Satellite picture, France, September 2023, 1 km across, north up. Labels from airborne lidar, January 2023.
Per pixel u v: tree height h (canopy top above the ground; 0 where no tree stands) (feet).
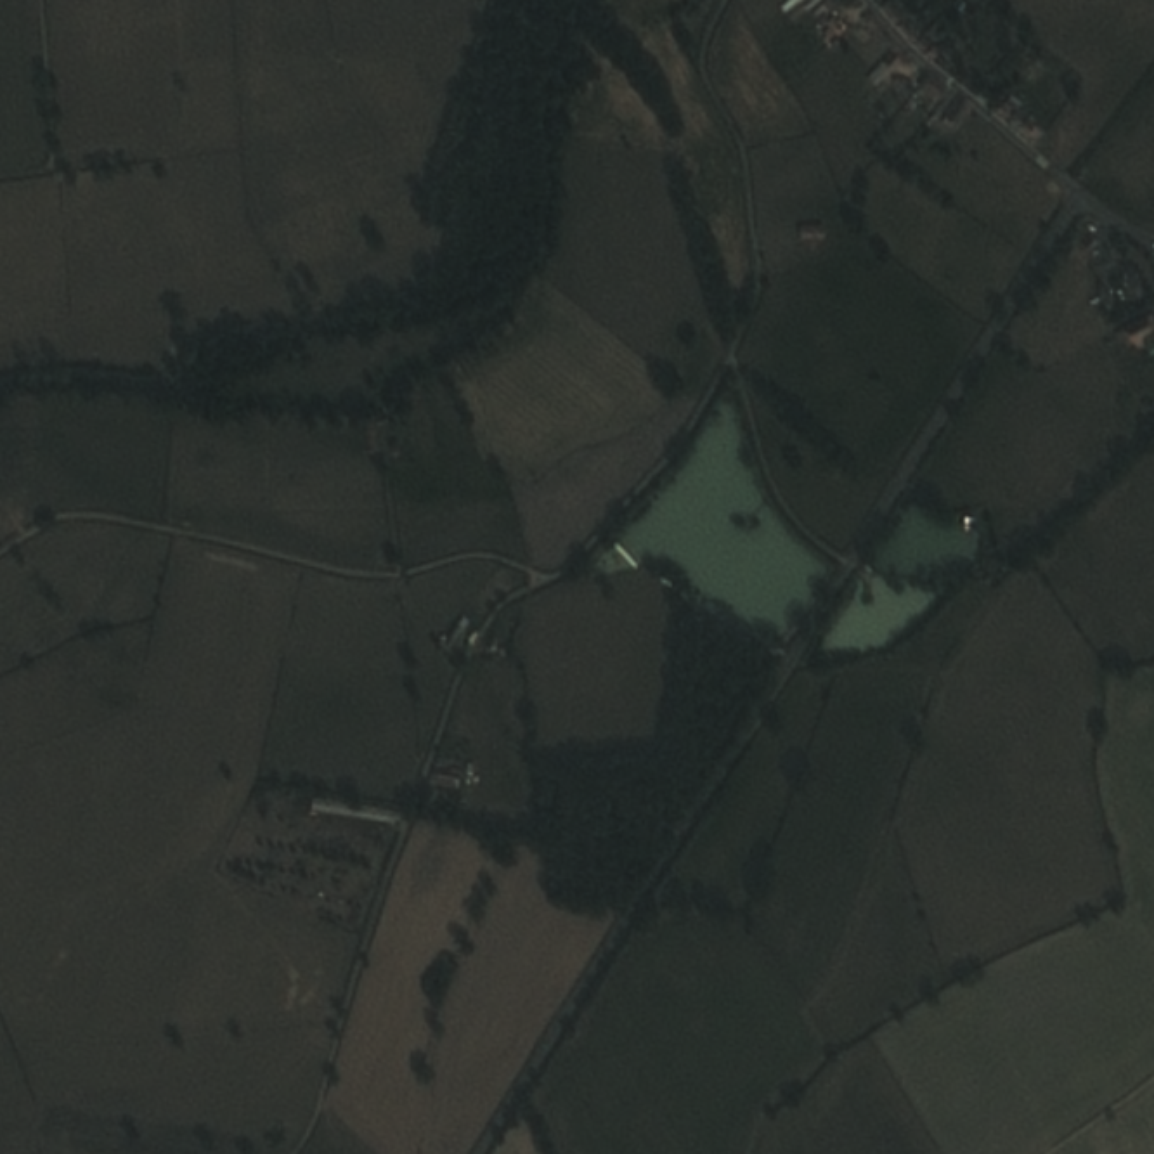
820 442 53
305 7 0
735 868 0
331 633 0
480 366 0
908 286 0
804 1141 0
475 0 0
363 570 0
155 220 0
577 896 60
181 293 0
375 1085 0
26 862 0
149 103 0
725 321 52
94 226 0
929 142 26
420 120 0
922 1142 0
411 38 0
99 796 0
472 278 69
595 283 0
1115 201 0
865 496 0
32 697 0
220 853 0
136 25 0
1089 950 0
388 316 52
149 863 0
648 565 40
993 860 0
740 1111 0
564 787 69
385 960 0
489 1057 0
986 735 0
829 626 36
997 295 0
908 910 0
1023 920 0
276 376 0
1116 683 0
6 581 0
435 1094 0
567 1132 0
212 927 0
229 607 0
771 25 0
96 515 0
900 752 0
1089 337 0
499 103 75
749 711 46
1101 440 0
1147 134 0
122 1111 0
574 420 0
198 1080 0
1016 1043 0
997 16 31
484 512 0
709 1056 0
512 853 56
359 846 0
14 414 0
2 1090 0
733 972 0
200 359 74
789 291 0
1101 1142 0
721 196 0
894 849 0
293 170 0
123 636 0
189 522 0
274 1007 0
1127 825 0
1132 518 0
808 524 0
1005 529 0
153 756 0
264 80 0
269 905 0
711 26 0
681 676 78
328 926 0
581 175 0
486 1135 0
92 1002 0
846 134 0
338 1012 44
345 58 0
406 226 0
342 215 0
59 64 0
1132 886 0
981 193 0
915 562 0
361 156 0
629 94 0
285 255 0
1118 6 0
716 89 0
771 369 0
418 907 0
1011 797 0
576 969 0
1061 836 0
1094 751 0
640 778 72
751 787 0
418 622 0
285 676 0
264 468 0
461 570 0
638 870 55
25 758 0
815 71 0
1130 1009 0
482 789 0
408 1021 0
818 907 0
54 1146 0
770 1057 0
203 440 0
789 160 0
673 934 0
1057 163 0
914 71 0
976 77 34
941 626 0
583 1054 0
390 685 0
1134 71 0
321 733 0
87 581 0
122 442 0
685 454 36
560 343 0
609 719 0
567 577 25
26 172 0
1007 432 0
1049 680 0
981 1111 0
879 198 0
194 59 0
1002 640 0
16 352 0
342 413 19
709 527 0
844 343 0
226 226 0
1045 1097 0
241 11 0
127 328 0
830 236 0
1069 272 0
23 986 0
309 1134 0
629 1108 0
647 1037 0
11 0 0
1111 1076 0
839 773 0
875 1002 0
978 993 0
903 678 0
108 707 0
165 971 0
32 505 0
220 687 0
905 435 0
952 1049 0
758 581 0
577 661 0
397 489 0
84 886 0
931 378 0
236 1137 0
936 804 0
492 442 0
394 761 0
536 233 48
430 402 0
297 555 0
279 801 0
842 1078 0
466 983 0
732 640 84
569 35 54
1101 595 0
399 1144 0
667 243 0
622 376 0
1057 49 0
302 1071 0
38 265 0
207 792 0
